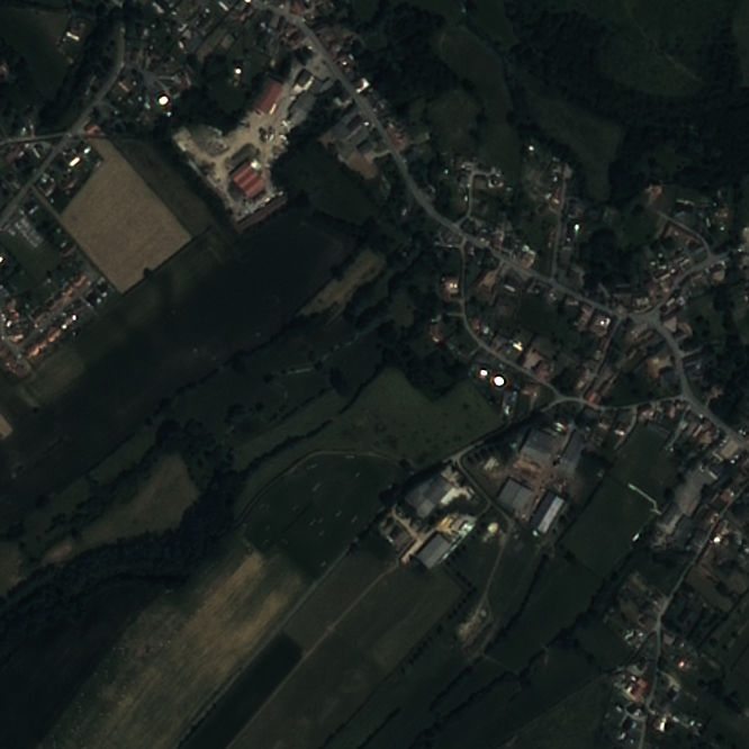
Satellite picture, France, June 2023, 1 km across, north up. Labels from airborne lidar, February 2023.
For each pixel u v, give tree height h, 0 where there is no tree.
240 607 0
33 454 0
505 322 0
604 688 0
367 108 0
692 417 0
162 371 0
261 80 12
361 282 0
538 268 0
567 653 0
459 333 8
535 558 0
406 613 0
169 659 0
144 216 0
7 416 0
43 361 0
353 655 0
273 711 0
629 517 0
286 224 0
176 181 0
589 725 0
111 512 0
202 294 0
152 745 0
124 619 0
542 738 0
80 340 0
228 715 0
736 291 0
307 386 0
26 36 0
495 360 0
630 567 0
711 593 0
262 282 0
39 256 0
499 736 0
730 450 0
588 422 7
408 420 0
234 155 0
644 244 0
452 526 0
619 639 0
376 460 0
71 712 0
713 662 0
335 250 0
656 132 9
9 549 0
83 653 0
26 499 0
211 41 0
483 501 0
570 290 0
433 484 0
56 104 7
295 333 16
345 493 0
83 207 0
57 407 0
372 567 0
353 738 0
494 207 0
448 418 0
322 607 0
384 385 0
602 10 0
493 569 0
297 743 0
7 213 0
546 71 32
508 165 0
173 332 0
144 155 0
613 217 0
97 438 0
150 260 0
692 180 13
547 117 0
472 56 0
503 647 0
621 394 0
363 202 0
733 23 17
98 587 7
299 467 0
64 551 0
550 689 0
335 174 0
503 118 0
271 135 0
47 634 0
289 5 0
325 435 0
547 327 0
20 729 0
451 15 0
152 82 0
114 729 0
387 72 22
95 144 0
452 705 0
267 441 0
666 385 0
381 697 0
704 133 20
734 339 13
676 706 0
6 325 0
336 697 0
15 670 0
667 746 0
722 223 0
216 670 0
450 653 0
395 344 24
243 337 0
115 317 0
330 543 0
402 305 0
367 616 0
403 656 0
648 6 0
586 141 0
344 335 0
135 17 14
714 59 8
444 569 0
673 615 0
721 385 8
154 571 7
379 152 0
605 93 19
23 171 18
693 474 0
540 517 0
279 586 0
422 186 7
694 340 10
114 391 0
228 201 0
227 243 0
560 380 10
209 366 0
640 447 0
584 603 0
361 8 0
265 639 0
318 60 0
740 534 0
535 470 0
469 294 0
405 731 0
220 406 0
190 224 0
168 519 0
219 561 0
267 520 0
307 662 0
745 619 0
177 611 0
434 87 20
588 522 0
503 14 0
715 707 0
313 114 12
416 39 27
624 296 0
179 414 0
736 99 12
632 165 10
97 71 9
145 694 0
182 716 0
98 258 0
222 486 27
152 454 8
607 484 0
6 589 0
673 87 0
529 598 6
